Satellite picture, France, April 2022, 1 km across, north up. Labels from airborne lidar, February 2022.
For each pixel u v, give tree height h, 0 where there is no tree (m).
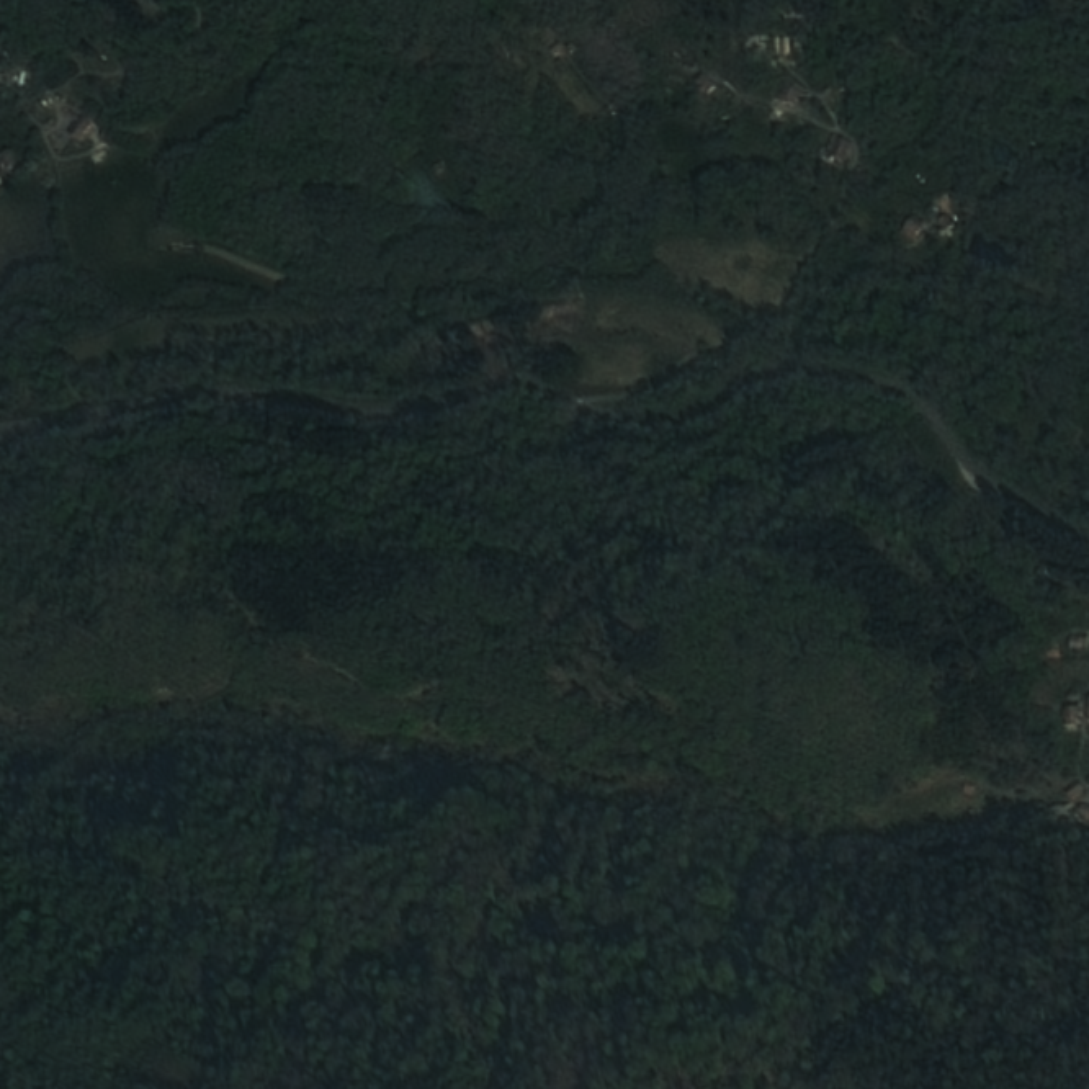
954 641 9
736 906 8
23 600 12
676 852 34
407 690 22
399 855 30
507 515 15
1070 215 17
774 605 26
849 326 20
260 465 17
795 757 27
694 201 10
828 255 9
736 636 17
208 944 28
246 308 8
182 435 20
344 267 21
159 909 25
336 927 33
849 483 25
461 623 22
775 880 21
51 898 23
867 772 23
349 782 28
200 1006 20
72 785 18
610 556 31
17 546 19
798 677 16
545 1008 32
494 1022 39
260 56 13
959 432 21
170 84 24
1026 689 6
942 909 32
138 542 17
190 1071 0
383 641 20
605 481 21
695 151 0
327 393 25
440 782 25
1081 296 19
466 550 17
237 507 21
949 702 12
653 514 25
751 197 10
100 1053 19
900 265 16
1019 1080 24
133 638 15
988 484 0
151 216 0
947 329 24
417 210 13
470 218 20
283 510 14
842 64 11
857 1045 18
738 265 0
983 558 16
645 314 0
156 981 19
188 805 24
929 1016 28
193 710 16
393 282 16
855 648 18
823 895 30
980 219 9
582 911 32
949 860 16
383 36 25
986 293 18
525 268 17
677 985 29
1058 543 34
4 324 25
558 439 11
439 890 34
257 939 28
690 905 36
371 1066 20
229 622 16
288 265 8
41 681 15
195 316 6
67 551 20
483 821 30
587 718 25
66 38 20
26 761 22
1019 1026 30
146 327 0
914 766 27
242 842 26
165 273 0
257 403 15
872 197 19
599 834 34
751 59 14
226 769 26
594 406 0
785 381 15
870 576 18
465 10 19
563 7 12
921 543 10
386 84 23
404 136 20
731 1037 29
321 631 20
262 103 27
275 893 26
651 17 8
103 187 0
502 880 36
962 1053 18
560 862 6
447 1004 34
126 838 22
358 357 11
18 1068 25
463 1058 24
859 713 21
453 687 23
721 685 25
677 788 21
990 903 23
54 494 17
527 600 17
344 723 21
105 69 0
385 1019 31
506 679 17
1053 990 26
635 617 18
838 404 19
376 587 14
